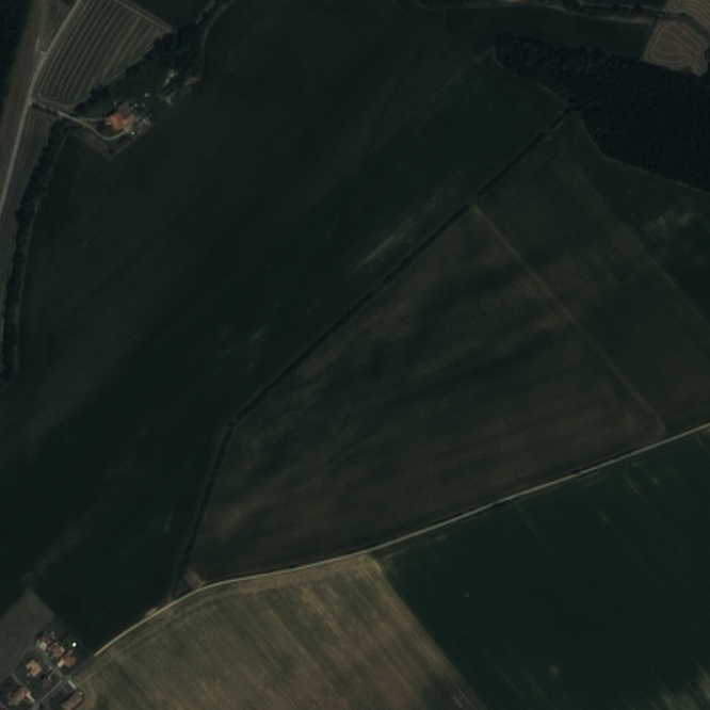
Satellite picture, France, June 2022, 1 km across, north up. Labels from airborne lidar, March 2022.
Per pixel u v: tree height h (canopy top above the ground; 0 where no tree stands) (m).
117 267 0
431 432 0
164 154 0
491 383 0
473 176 0
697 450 0
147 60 19
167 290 0
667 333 0
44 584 0
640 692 0
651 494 0
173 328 0
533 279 0
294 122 0
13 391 0
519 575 0
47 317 0
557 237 0
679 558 0
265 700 0
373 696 0
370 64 0
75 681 0
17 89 0
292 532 0
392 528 0
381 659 0
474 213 0
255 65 0
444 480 0
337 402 0
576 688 0
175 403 0
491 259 0
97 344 0
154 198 0
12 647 0
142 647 0
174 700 0
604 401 0
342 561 0
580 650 0
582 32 0
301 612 0
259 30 0
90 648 0
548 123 0
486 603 0
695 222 0
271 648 0
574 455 0
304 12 0
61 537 0
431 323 0
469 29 0
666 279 0
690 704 0
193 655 0
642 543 0
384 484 0
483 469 0
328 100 0
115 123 0
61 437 0
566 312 0
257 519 0
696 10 0
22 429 0
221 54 0
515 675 0
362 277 0
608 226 0
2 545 0
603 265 0
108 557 0
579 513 0
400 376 0
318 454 0
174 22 0
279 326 0
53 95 0
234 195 0
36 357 0
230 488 0
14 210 0
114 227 0
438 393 0
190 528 0
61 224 0
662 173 11
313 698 0
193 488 0
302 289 0
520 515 0
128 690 0
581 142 0
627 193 0
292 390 0
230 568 0
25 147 0
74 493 0
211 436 0
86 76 0
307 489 0
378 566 0
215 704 0
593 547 0
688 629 0
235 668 0
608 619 0
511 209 0
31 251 0
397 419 0
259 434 0
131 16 0
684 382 0
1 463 0
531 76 16
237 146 0
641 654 0
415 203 0
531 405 0
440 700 0
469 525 0
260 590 0
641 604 0
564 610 0
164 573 0
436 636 0
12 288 15
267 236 0
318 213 0
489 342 0
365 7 0
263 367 0
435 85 0
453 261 0
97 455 0
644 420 0
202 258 0
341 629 0
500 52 14
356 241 0
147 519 0
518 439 0
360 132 0
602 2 0
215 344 0
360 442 0
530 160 0
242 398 0
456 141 0
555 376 0
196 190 0
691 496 0
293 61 0
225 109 0
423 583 0
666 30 0
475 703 0
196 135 0
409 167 0
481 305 0
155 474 0
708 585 0
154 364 0
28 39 0
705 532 0
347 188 0
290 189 0
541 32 0
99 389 0
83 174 0
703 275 0
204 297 0
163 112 0
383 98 0
